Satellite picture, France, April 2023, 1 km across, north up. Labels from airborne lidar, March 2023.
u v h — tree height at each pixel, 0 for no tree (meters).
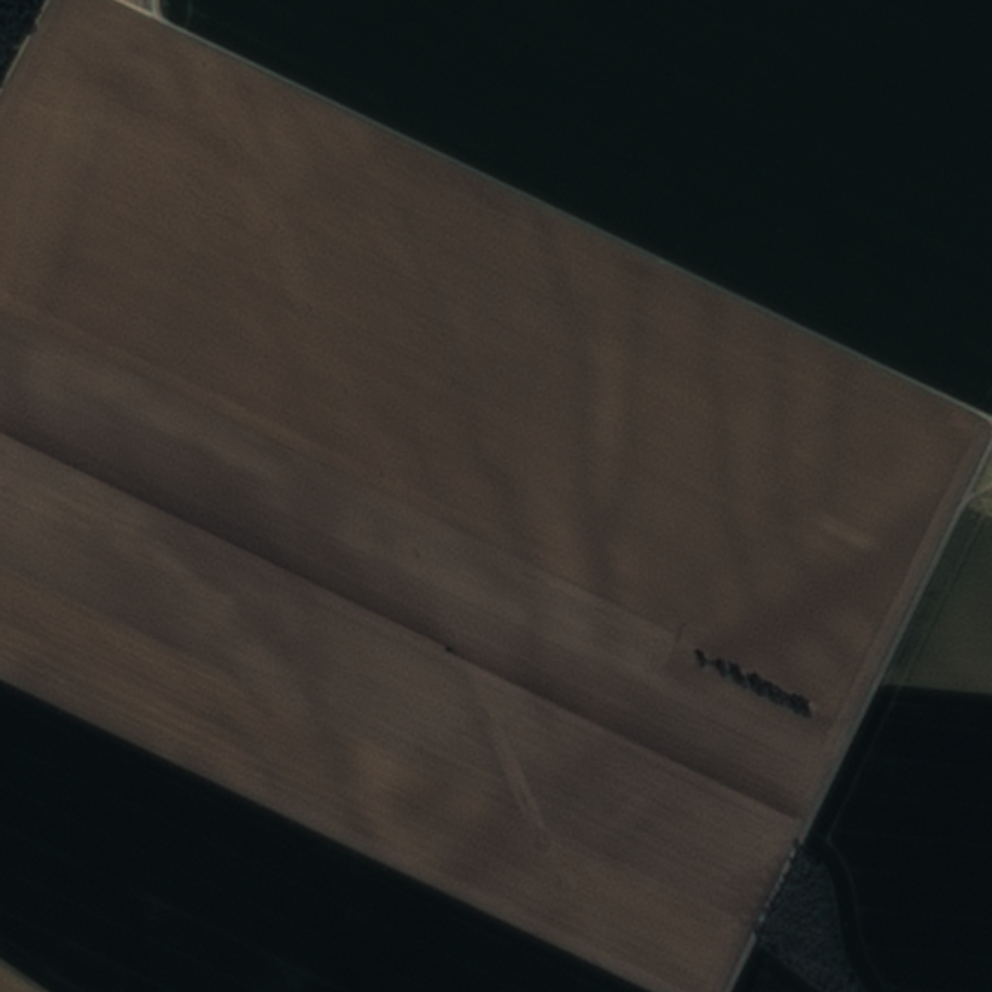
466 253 0
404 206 0
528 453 0
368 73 0
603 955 0
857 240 0
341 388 0
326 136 0
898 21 0
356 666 0
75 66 0
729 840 0
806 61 0
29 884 0
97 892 0
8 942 0
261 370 0
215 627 0
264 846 0
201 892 0
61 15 0
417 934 0
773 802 0
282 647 0
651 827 0
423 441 0
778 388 0
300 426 0
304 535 0
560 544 0
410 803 0
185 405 0
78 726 0
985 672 0
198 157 0
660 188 0
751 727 0
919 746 0
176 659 0
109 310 0
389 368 0
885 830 0
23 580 0
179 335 0
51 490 0
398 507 0
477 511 0
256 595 0
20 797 0
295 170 0
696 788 0
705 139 0
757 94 0
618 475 0
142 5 0
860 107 0
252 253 0
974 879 0
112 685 0
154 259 0
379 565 0
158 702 0
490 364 0
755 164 0
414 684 0
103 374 0
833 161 0
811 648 0
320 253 0
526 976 0
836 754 0
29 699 0
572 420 0
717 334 0
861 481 0
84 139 0
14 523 0
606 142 0
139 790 0
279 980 0
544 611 0
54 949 0
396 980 0
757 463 0
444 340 0
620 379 0
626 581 0
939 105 0
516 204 0
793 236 0
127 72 0
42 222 0
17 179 0
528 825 0
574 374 0
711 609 0
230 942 0
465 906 0
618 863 0
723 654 0
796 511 0
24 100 0
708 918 0
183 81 0
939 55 0
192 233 0
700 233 0
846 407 0
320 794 0
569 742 0
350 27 0
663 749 0
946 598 0
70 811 0
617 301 0
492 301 0
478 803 0
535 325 0
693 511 0
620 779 0
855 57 0
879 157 0
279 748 0
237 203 0
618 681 0
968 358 0
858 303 0
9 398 0
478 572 0
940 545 0
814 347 0
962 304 0
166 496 0
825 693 0
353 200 0
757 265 0
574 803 0
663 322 0
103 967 0
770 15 0
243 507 0
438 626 0
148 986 0
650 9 0
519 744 0
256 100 0
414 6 0
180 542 0
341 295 0
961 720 0
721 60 0
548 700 0
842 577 0
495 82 0
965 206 0
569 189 0
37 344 0
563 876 0
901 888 0
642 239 0
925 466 0
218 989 0
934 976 0
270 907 0
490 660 0
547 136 0
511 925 0
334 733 0
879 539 0
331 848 0
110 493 0
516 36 0
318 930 0
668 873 0
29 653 0
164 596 0
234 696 0
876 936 0
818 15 0
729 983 0
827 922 7
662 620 0
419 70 0
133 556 0
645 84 0
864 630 0
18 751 0
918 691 0
